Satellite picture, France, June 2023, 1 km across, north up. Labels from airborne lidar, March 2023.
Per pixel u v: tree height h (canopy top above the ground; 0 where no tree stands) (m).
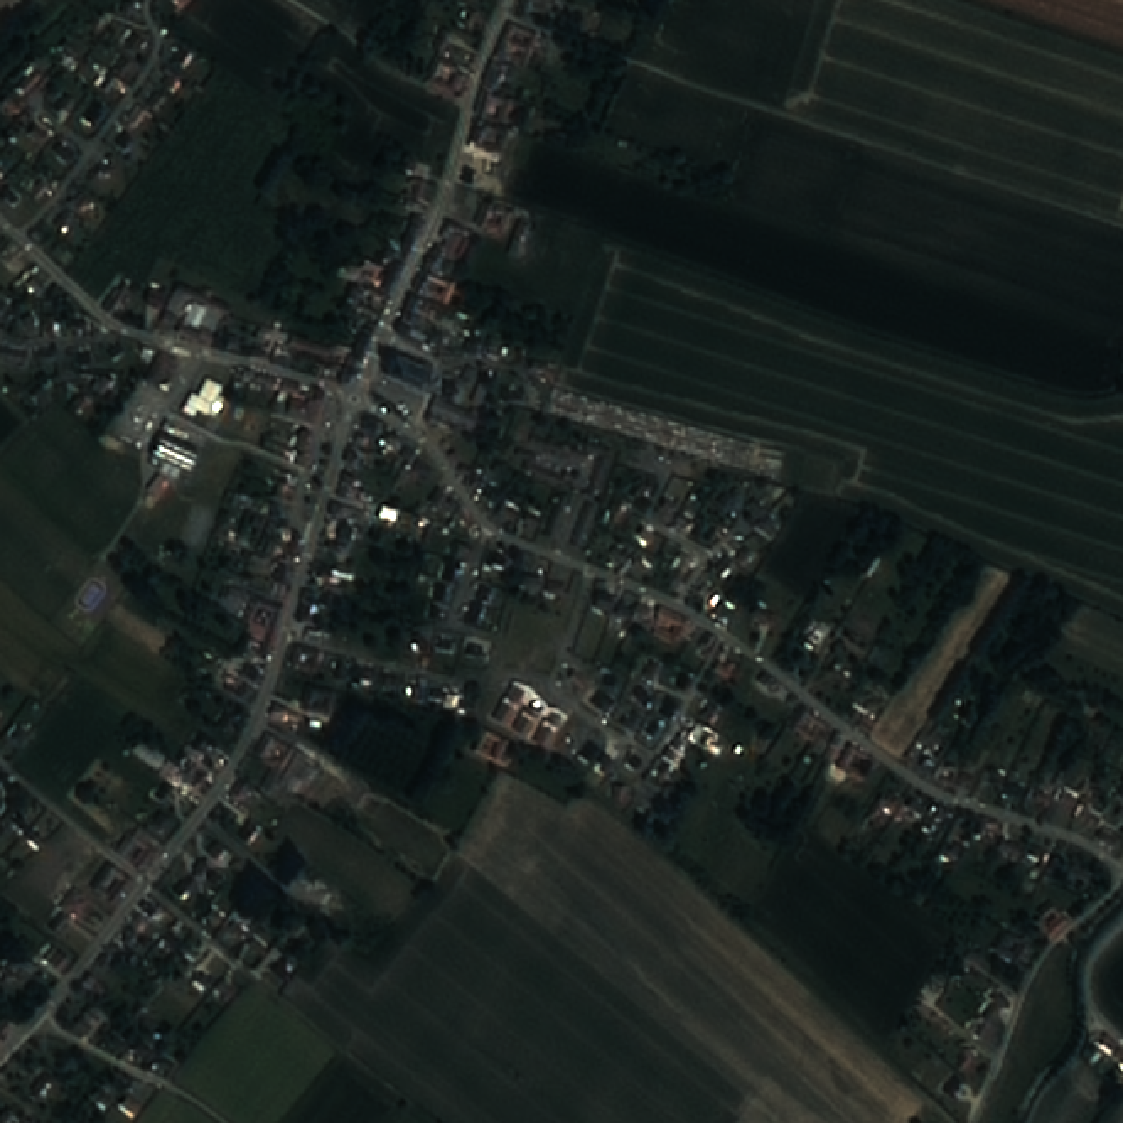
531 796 0
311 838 0
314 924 15
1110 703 10
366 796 0
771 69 0
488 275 0
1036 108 0
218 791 0
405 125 0
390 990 0
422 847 0
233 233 0
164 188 0
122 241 0
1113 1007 0
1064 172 0
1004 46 0
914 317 0
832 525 0
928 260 0
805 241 0
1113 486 0
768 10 0
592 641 0
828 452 0
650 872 0
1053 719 0
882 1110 0
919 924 0
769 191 0
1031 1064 0
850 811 12
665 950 0
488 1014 0
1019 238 0
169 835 0
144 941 8
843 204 0
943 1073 0
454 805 0
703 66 0
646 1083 0
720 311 0
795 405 0
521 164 0
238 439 0
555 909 0
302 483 0
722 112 0
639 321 0
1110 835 0
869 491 0
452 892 0
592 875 0
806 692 0
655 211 0
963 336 0
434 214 0
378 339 0
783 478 0
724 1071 0
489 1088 0
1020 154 0
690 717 0
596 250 0
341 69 0
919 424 0
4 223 0
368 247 0
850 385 0
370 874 0
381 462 8
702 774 0
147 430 0
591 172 0
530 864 0
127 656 0
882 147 0
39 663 0
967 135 0
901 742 0
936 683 0
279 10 0
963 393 0
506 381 0
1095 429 0
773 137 0
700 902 0
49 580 0
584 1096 0
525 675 0
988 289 0
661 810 19
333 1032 0
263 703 0
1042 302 0
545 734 0
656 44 0
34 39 8
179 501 0
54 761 0
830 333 0
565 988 0
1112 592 0
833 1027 0
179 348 0
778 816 13
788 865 0
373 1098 0
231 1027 0
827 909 0
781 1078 0
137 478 0
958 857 6
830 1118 0
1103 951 0
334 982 0
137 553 15
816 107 0
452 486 0
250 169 0
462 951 0
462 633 0
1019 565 0
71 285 0
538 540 0
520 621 0
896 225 0
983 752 0
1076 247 0
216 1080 0
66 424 0
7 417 0
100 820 0
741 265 0
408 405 0
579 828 0
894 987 0
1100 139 0
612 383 0
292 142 9
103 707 0
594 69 13
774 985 0
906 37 0
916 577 14
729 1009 0
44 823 0
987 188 0
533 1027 0
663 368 0
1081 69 0
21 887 0
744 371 0
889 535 18
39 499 0
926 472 0
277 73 0
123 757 0
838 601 0
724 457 0
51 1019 0
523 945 0
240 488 6
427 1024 0
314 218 19
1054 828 0
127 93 0
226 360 0
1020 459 0
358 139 0
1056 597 15
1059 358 0
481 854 0
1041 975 0
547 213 0
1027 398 0
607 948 0
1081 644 0
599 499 11
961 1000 0
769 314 0
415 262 0
